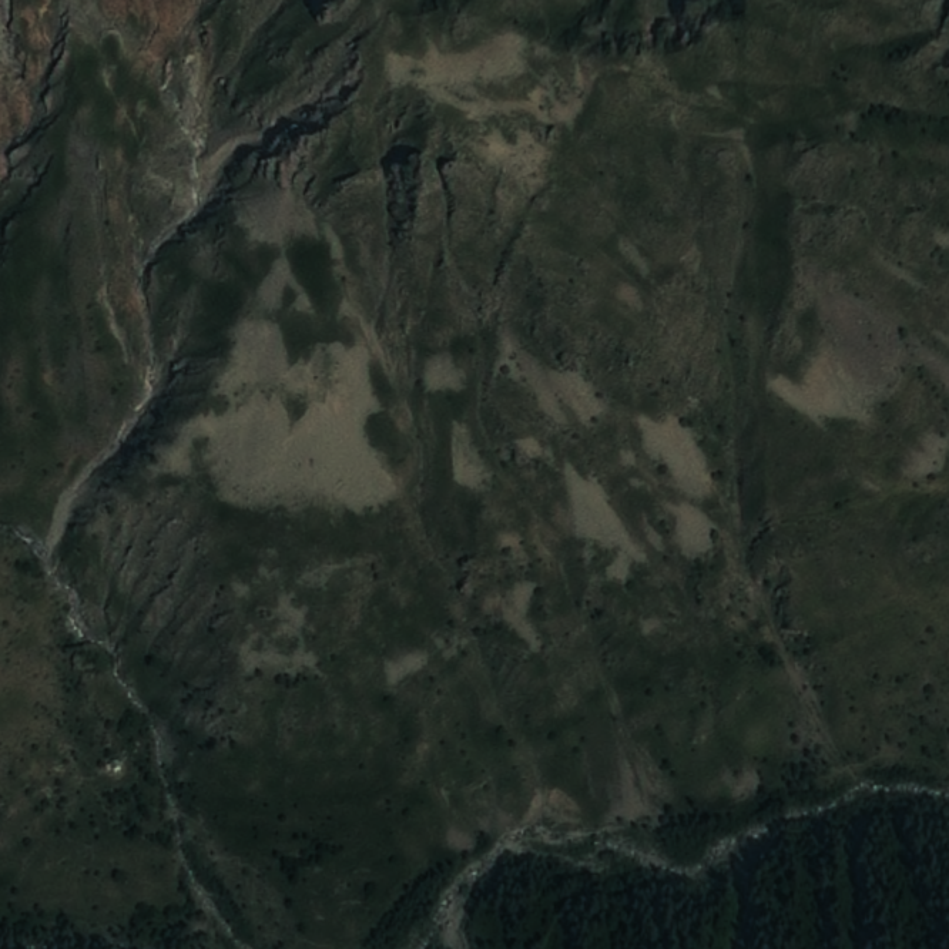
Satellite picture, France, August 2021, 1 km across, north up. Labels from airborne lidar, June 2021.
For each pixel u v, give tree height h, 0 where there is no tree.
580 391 0
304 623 0
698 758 0
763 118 0
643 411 0
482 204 0
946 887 26
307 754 0
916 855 28
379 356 0
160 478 0
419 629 0
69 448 0
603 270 0
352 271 0
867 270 0
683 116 0
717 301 0
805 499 0
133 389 0
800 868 9
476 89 0
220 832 0
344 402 0
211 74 0
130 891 0
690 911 25
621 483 0
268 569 0
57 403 0
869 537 0
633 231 0
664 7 0
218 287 0
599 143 0
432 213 0
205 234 0
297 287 0
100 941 19
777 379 0
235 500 0
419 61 0
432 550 0
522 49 0
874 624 0
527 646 0
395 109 0
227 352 0
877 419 0
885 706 0
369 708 0
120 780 0
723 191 0
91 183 0
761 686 0
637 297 0
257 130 0
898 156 10
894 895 13
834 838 26
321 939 0
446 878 9
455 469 0
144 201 0
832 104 0
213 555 0
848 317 0
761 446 0
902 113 23
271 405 0
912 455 0
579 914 26
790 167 0
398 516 0
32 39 0
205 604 0
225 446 0
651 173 0
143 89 0
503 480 0
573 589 0
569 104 0
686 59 0
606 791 0
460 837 0
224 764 0
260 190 0
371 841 0
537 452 0
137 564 0
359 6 0
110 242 0
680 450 0
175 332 0
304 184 0
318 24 0
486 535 0
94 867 0
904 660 0
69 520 0
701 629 0
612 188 0
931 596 0
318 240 0
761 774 11
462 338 0
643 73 0
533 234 0
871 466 0
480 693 0
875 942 17
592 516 0
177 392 0
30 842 8
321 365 0
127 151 0
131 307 0
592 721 0
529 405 0
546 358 0
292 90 0
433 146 0
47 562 0
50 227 0
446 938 0
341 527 0
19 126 0
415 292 0
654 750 0
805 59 0
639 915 9
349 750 0
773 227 0
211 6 0
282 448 0
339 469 0
